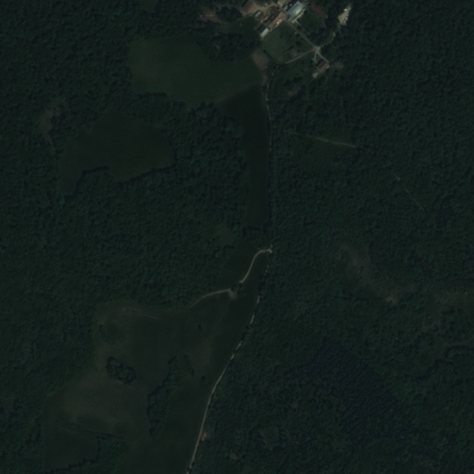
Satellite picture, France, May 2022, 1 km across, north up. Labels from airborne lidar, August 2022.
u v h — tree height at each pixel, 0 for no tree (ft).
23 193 52
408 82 71
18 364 41
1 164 69
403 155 53
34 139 44
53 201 69
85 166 0
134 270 65
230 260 0
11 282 56
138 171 0
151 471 0
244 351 27
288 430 20
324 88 72
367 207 52
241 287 39
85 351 57
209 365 0
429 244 60
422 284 50
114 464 45
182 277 45
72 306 64
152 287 41
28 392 67
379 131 89
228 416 29
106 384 0
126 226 58
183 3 48
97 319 0
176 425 0
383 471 33
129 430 0
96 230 61
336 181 90
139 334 0
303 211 67
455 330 64
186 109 48
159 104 52
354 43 72
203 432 0
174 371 35
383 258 52
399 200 40
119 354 0
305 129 64
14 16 52
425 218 59
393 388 63
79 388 0
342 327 62
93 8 63
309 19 0
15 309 54
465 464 61
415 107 60
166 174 74
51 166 59
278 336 35
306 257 71
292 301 58
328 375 75
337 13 42
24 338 60
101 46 53
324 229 35
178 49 0
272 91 37
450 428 69
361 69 72
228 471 24
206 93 0
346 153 21
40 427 47
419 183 54
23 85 48
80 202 65
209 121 65
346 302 76
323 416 51
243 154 50
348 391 69
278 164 21
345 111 34
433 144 70
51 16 97
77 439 0
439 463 47
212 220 58
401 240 57
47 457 0
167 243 61
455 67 69
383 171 52
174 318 0
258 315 32
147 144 0
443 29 66
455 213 58
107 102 48
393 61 79
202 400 0
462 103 59
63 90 62
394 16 63
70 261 65
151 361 0
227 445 33
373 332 55
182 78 0
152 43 0
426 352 67
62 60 54
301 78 24
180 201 55
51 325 50
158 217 58
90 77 78
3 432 40
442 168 85
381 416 61
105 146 0
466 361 68
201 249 66
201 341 0
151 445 0
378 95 77
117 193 67
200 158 58
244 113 0
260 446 58
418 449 50
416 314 45
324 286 67
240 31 0
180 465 0
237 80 0
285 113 51
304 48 0
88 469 37
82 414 0
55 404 0
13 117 66
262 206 0
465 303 0
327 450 21
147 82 0
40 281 67
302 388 40
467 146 62
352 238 40
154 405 42
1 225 72
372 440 30
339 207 56
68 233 61
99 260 47
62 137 64
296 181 73
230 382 41
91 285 59
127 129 0
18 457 51
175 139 46
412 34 78
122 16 59
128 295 31
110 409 0
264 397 39
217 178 35
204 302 0
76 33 70
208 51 56
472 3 57
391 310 50
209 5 42
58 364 63
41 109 78
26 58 54
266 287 41
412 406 70
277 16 0
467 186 66
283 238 65
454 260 50
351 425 55
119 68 73
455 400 78
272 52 0
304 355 35
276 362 24
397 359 77
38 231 66
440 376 71
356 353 53
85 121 65
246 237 46
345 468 54
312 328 51
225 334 0
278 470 59
